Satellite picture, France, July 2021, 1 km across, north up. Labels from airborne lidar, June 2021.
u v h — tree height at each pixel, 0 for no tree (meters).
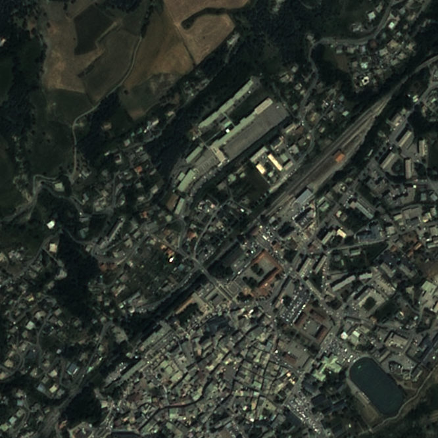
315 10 10
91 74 0
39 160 0
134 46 0
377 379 0
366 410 0
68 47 0
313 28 12
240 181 7
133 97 0
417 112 16
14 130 11
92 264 14
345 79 17
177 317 13
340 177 17
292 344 0
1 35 8
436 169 8
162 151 17
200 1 0
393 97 11
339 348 0
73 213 9
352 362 0
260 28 12
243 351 0
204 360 0
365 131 0
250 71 10
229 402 0
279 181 0
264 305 0
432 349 0
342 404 0
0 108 11
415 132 12
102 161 6
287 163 0
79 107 0
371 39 7
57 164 0
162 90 0
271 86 11
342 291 0
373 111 0
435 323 0
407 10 10
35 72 0
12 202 0
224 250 0
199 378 0
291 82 6
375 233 0
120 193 6
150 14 12
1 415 6
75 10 0
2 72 0
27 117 9
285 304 16
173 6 0
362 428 0
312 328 0
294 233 0
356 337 0
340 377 11
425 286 0
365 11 0
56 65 0
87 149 15
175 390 0
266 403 0
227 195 10
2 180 0
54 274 9
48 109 0
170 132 10
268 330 0
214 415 6
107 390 0
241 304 0
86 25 0
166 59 0
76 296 17
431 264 0
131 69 0
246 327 0
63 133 0
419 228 12
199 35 0
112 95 11
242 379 0
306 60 13
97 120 16
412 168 0
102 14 0
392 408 0
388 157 0
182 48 0
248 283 11
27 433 0
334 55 0
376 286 0
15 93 10
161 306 11
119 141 8
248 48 14
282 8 7
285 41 11
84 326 17
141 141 6
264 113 0
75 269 21
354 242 6
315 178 0
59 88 0
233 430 0
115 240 7
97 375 0
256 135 0
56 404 15
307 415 0
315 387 15
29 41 12
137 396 0
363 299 0
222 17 0
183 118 14
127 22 0
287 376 0
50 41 0
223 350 0
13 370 8
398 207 12
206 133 7
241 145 0
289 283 0
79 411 14
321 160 0
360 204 0
